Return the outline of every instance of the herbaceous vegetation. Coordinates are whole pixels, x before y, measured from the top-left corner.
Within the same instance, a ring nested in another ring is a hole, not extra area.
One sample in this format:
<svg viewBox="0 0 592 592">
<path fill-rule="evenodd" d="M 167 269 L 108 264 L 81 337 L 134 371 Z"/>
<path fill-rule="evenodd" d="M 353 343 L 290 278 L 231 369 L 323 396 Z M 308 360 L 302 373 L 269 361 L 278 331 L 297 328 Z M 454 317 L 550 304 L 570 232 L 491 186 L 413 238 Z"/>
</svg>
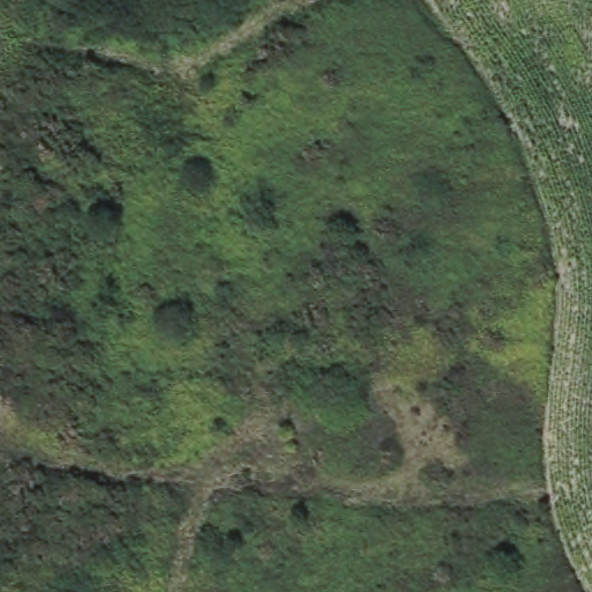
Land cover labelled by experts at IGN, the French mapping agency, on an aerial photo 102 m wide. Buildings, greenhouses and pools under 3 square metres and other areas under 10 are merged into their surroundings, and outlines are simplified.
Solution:
<svg viewBox="0 0 592 592">
<path fill-rule="evenodd" d="M 19 72 L 16 81 L 5 81 L 0 76 L 0 592 L 585 592 L 576 569 L 569 564 L 564 555 L 560 534 L 553 525 L 550 500 L 546 493 L 543 409 L 550 391 L 550 365 L 555 354 L 555 310 L 560 280 L 557 264 L 553 259 L 550 229 L 534 187 L 534 178 L 530 176 L 530 167 L 525 162 L 523 146 L 516 132 L 511 130 L 511 120 L 493 97 L 490 88 L 486 86 L 486 79 L 479 74 L 476 65 L 465 53 L 463 44 L 456 42 L 442 28 L 442 23 L 435 19 L 426 0 L 338 0 L 324 5 L 324 23 L 319 23 L 317 30 L 305 32 L 305 39 L 310 42 L 308 53 L 289 56 L 275 69 L 266 69 L 257 76 L 245 74 L 245 65 L 231 51 L 238 42 L 245 42 L 247 37 L 259 35 L 264 30 L 264 25 L 254 16 L 247 16 L 243 25 L 234 28 L 217 42 L 206 44 L 208 49 L 197 53 L 194 58 L 178 56 L 171 60 L 148 62 L 136 60 L 130 53 L 97 51 L 99 56 L 125 62 L 118 72 L 86 62 L 88 49 L 72 46 L 65 42 L 53 44 L 49 39 L 30 39 L 23 44 L 23 49 L 30 53 L 30 65 Z M 326 141 L 331 143 L 331 148 L 319 157 L 319 164 L 312 173 L 298 173 L 296 157 L 308 148 L 310 141 Z M 173 173 L 169 167 L 180 167 L 185 160 L 197 155 L 210 162 L 217 178 L 213 180 L 213 187 L 204 192 L 187 192 L 187 187 L 178 183 L 180 176 Z M 238 208 L 243 194 L 259 192 L 257 178 L 264 178 L 268 187 L 282 197 L 282 204 L 275 208 L 278 229 L 259 229 L 257 224 L 229 217 L 229 208 Z M 123 206 L 123 217 L 118 222 L 111 222 L 106 210 L 93 213 L 90 206 L 99 199 L 116 199 Z M 426 215 L 421 217 L 414 231 L 405 231 L 398 238 L 382 238 L 375 234 L 372 224 L 377 208 L 384 204 L 407 204 Z M 354 213 L 361 222 L 361 231 L 352 231 L 345 224 L 333 224 L 331 213 L 335 210 Z M 155 308 L 173 296 L 187 296 L 194 303 L 194 321 L 187 335 L 178 338 L 173 338 L 155 324 Z M 497 543 L 502 541 L 511 541 L 518 546 L 518 550 L 525 557 L 523 567 L 513 569 L 511 557 L 497 550 Z"/>
</svg>

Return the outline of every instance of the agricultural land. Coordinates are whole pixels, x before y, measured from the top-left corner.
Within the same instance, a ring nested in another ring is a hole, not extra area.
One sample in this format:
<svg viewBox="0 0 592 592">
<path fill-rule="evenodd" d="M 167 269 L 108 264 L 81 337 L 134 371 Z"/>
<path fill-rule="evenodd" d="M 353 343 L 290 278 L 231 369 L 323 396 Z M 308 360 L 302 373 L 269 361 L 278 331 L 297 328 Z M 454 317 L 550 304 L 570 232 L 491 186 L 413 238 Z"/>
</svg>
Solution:
<svg viewBox="0 0 592 592">
<path fill-rule="evenodd" d="M 569 564 L 576 569 L 585 592 L 592 592 L 592 0 L 426 0 L 435 19 L 442 23 L 442 28 L 456 42 L 463 44 L 465 53 L 476 65 L 479 74 L 486 79 L 486 86 L 490 88 L 493 97 L 511 120 L 511 130 L 516 132 L 523 146 L 525 162 L 530 167 L 530 176 L 534 178 L 534 187 L 550 229 L 553 259 L 557 264 L 560 280 L 555 310 L 555 354 L 550 365 L 550 391 L 543 409 L 546 493 L 550 500 L 553 525 L 560 534 L 564 555 Z"/>
</svg>

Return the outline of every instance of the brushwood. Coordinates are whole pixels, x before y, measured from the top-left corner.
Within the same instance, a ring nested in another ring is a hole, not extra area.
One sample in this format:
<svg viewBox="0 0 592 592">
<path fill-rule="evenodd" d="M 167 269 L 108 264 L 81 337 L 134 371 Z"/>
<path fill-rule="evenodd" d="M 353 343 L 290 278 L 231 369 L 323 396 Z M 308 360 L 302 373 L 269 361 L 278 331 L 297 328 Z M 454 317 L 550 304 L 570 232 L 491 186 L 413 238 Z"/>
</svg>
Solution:
<svg viewBox="0 0 592 592">
<path fill-rule="evenodd" d="M 111 222 L 118 222 L 123 217 L 123 206 L 116 199 L 99 199 L 90 206 L 93 213 L 106 210 Z"/>
<path fill-rule="evenodd" d="M 180 176 L 178 183 L 187 187 L 187 192 L 204 192 L 213 187 L 213 180 L 217 178 L 210 162 L 197 155 L 185 160 L 180 167 L 169 167 L 173 173 Z"/>
<path fill-rule="evenodd" d="M 513 569 L 523 567 L 525 557 L 518 550 L 518 546 L 511 541 L 502 541 L 497 543 L 497 550 L 511 557 Z"/>
<path fill-rule="evenodd" d="M 305 32 L 317 30 L 319 23 L 324 23 L 324 5 L 338 0 L 0 0 L 0 76 L 5 81 L 16 81 L 19 72 L 30 65 L 30 53 L 23 49 L 23 44 L 30 39 L 49 39 L 53 44 L 65 42 L 72 46 L 88 49 L 86 62 L 118 72 L 125 62 L 99 56 L 97 51 L 130 53 L 136 60 L 148 62 L 171 60 L 178 56 L 194 58 L 197 53 L 208 49 L 206 44 L 217 42 L 234 28 L 243 25 L 247 16 L 254 16 L 264 25 L 264 30 L 259 35 L 247 37 L 245 42 L 238 42 L 231 51 L 245 65 L 245 74 L 257 76 L 266 69 L 275 69 L 289 56 L 308 53 L 310 42 L 305 39 Z"/>
<path fill-rule="evenodd" d="M 384 204 L 377 208 L 372 224 L 375 234 L 382 238 L 398 238 L 405 231 L 414 231 L 421 217 L 426 215 L 407 204 Z"/>
<path fill-rule="evenodd" d="M 326 141 L 310 141 L 308 148 L 296 157 L 298 173 L 312 173 L 319 164 L 319 157 L 331 148 L 331 143 Z"/>
<path fill-rule="evenodd" d="M 259 192 L 243 194 L 238 208 L 229 208 L 229 217 L 257 224 L 259 229 L 278 229 L 275 208 L 282 204 L 282 197 L 268 187 L 264 178 L 257 178 Z"/>
<path fill-rule="evenodd" d="M 361 231 L 361 222 L 354 213 L 335 210 L 331 213 L 333 224 L 345 224 L 352 231 Z"/>
<path fill-rule="evenodd" d="M 173 338 L 178 338 L 187 335 L 194 321 L 194 303 L 187 296 L 173 296 L 155 308 L 155 324 Z"/>
</svg>

